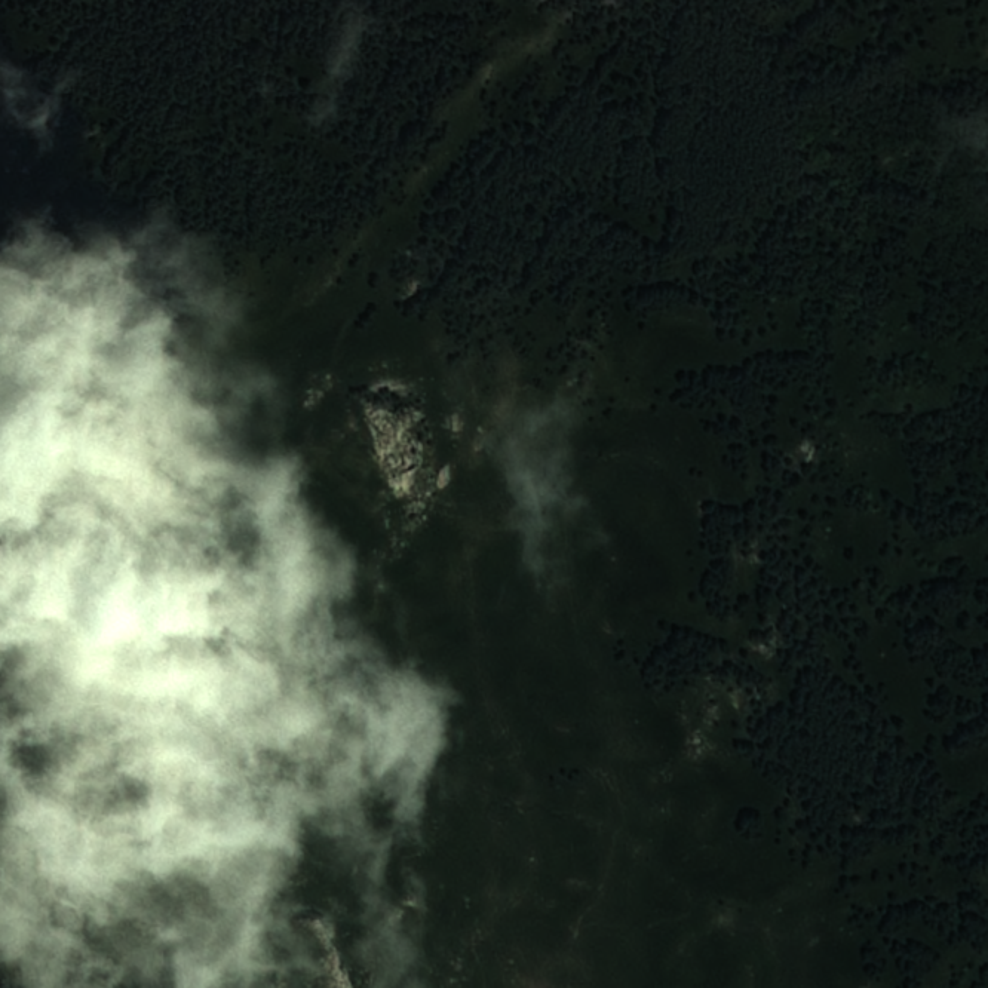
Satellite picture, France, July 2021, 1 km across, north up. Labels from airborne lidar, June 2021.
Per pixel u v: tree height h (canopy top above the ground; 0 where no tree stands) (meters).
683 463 0
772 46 22
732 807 0
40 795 0
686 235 26
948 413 9
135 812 0
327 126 11
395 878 0
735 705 0
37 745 0
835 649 0
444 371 0
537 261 25
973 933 21
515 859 0
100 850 0
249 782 0
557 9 13
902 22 18
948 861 12
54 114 12
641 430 0
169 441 0
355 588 0
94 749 0
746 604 16
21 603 0
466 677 0
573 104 18
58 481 0
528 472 0
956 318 8
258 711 0
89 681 0
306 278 0
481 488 0
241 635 0
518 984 0
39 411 0
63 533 0
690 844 0
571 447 0
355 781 0
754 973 0
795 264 14
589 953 0
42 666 0
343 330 0
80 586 0
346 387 0
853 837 18
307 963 0
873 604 17
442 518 0
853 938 0
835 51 12
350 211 15
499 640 0
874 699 21
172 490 0
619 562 0
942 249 22
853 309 8
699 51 22
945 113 29
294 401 0
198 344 0
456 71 19
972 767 0
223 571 0
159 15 24
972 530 17
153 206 11
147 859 0
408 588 0
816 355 14
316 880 0
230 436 0
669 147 25
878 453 0
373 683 0
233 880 0
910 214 14
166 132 13
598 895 0
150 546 0
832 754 24
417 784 0
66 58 14
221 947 0
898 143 13
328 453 0
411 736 0
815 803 18
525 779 0
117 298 0
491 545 0
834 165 7
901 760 22
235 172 18
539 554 0
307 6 17
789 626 14
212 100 12
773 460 18
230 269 8
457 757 0
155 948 0
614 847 0
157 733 0
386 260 0
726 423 19
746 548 13
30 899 0
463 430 0
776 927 0
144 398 0
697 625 0
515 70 0
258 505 0
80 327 0
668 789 0
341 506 0
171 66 15
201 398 0
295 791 0
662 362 0
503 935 0
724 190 28
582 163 22
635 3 19
